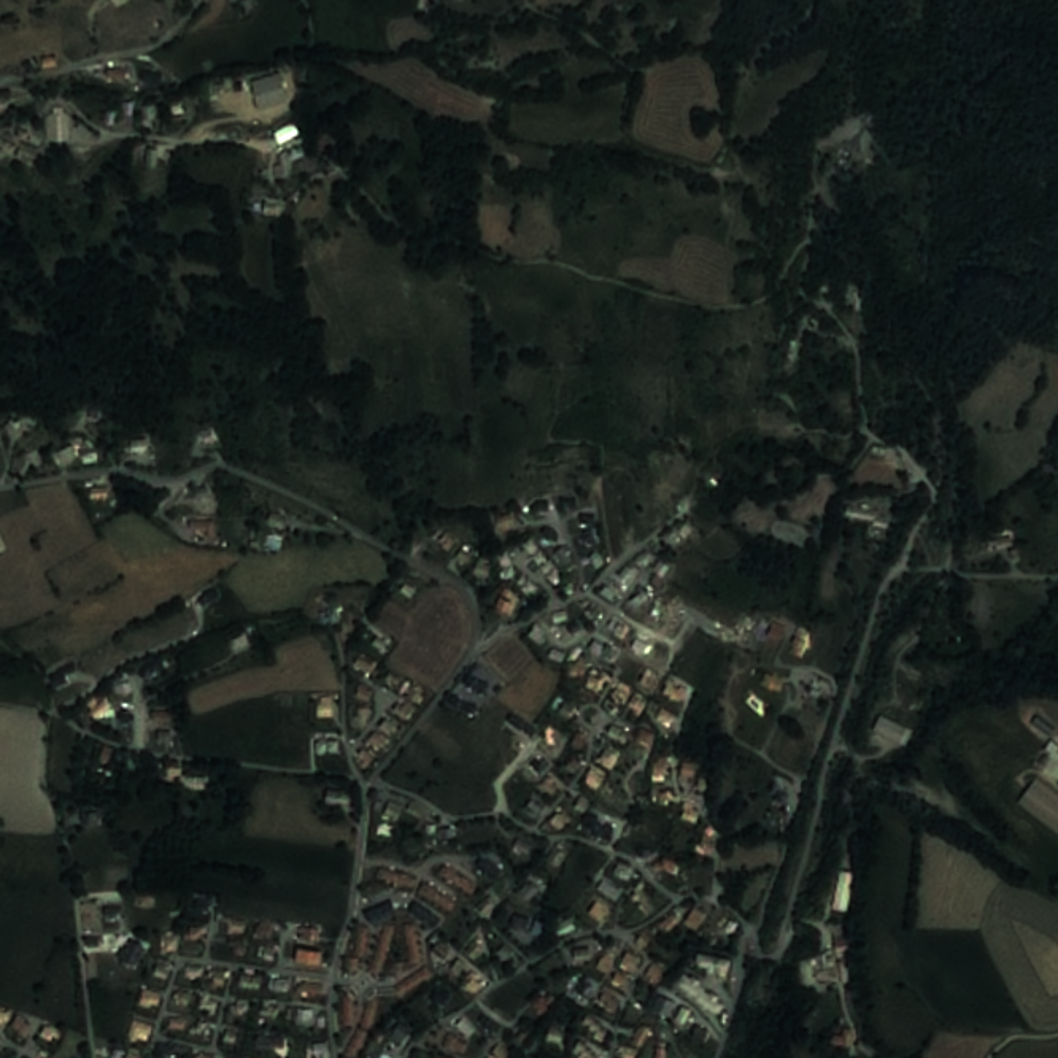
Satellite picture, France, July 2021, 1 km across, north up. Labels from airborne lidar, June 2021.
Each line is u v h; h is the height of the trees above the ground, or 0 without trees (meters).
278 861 0
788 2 18
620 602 0
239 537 0
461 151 17
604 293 0
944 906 0
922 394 10
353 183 12
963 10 10
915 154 6
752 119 0
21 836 0
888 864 0
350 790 8
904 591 11
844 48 10
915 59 6
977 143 10
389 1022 7
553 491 0
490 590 6
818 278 6
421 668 0
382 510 0
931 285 9
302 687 0
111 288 23
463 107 0
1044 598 0
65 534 0
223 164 0
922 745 18
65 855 14
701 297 0
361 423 8
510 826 6
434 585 7
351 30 0
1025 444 0
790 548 9
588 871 0
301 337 17
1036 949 0
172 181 13
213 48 0
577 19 8
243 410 18
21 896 0
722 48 8
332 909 0
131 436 7
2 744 0
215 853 0
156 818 0
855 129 0
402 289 0
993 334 11
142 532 0
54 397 18
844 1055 11
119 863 0
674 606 0
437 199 10
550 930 18
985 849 21
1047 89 12
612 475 0
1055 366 0
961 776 10
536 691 0
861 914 14
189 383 12
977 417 0
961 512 13
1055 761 0
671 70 0
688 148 0
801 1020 16
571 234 0
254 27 0
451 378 0
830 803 8
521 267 0
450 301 0
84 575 0
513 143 8
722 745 23
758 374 0
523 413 6
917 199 7
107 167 19
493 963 11
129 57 0
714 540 0
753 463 12
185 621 0
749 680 0
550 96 10
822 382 10
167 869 17
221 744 0
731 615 0
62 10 0
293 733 0
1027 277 9
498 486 0
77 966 8
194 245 19
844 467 6
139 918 0
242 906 0
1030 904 0
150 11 0
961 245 9
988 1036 0
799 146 9
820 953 6
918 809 17
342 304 0
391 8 0
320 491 0
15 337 14
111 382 24
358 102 15
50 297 24
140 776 10
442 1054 7
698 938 14
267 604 0
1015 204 10
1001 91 10
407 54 11
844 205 11
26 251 23
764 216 10
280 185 8
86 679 0
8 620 0
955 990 0
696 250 0
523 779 0
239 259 15
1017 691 18
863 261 20
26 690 0
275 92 0
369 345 0
